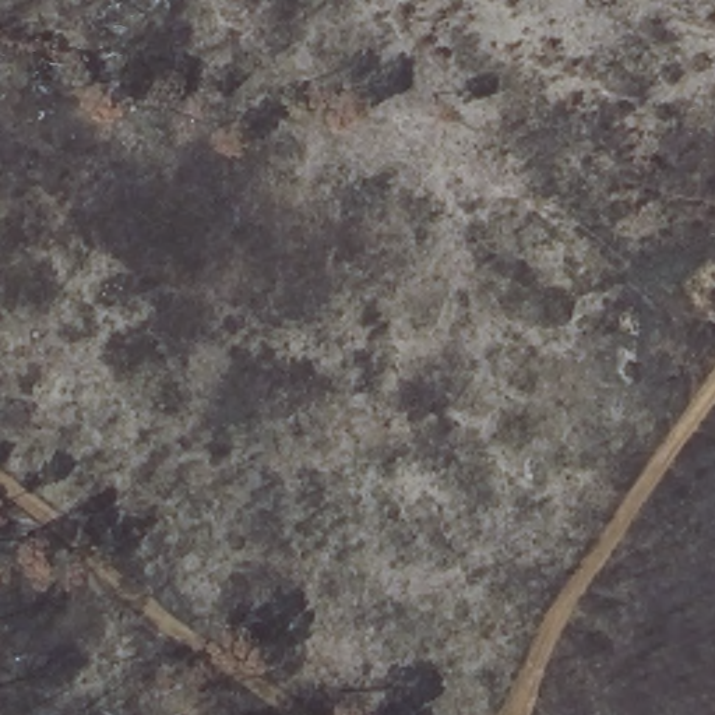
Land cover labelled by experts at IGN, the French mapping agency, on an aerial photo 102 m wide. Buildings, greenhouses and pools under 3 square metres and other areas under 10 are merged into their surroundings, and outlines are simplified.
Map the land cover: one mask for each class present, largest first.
<instances>
[{"label":"bare soil","instance_id":"1","mask_svg":"<svg viewBox=\"0 0 715 715\"><path fill-rule=\"evenodd\" d=\"M95 84L103 92H112L115 106L123 109V115L112 112V117H106L101 126L78 117V98ZM318 95L355 103L360 120H352L344 128H321L318 120H313L310 126H293L290 134L279 128V120L288 117L282 98L310 103V98ZM223 123L240 126V156H223L212 148V131ZM715 371V0H0V547L6 550L20 539L42 536L47 539L50 550H67L78 559V573L73 578H50L45 592H36L31 587L28 573L22 570L11 575V584H0V715H198L196 704L204 676H190V668L184 662L156 665L162 656V645L170 637L159 634V626L145 614L148 600H156L170 617L190 626L193 634L212 631L215 623L221 617H232L237 606H263L277 592L302 589L313 612L307 656L304 668L299 670L302 679L310 684H327L332 690L341 684L369 687V704L374 715H503L506 704L511 701L522 679L525 662L531 656V648L539 637L547 612L570 584V578L584 567L587 556L598 547L606 525L614 519L617 508L623 506L626 494L648 466V461L665 444L670 430L690 408L693 397ZM531 715H715V405L709 408L698 430L684 441V447L679 450V455L673 458V464L668 466V472L662 475V480L628 525L623 542L612 550L609 564L589 581L587 592L578 598V606L573 609V617L559 634L556 651L545 668Z\"/></svg>","mask_w":715,"mask_h":715},{"label":"coniferous trees","instance_id":"2","mask_svg":"<svg viewBox=\"0 0 715 715\"><path fill-rule=\"evenodd\" d=\"M22 570L28 573L31 587L36 592H45L50 578H73L78 573V559L67 550H50L47 539L42 536L20 539L6 550L0 547V584H11V575ZM313 612L302 589L277 592L263 606H237L232 617H221L215 623L212 631L193 634L187 642L170 637L162 645V656L156 665L184 662L190 668V676H204L196 704L198 715H374L369 704V687L341 684L332 690L327 684H310L302 679L299 670L304 668L307 656ZM257 662L265 665V681L285 695L277 707H268L243 681L229 676L232 670H251Z\"/></svg>","mask_w":715,"mask_h":715},{"label":"pervious surface","instance_id":"3","mask_svg":"<svg viewBox=\"0 0 715 715\"><path fill-rule=\"evenodd\" d=\"M715 405V371L693 397L690 408L670 430L665 444L648 461V466L626 494L623 506L617 508L614 519L606 525L598 547L587 556L584 567L570 578V584L547 612L539 637L531 648V656L525 662L522 679L511 701L506 704L503 715H531L545 668L556 651L559 634L573 617V609L578 606V598L587 592L589 581L609 564L612 550L623 542L628 525L662 480V475L668 472V466L673 464V458L679 455V450L684 447V441L698 430L709 408ZM145 614L159 626V634L170 637L187 642L193 634L190 626L170 617L156 600H148ZM265 665L257 662L251 670H232L229 676L243 681L268 707H277L285 695L265 681Z\"/></svg>","mask_w":715,"mask_h":715},{"label":"deciduous trees","instance_id":"4","mask_svg":"<svg viewBox=\"0 0 715 715\"><path fill-rule=\"evenodd\" d=\"M112 112L123 115V109L115 106L112 92H103L95 84L78 98V117L101 126L106 117H112ZM288 117L279 120V128L290 134L293 126H310L313 120H318L321 128H344L352 120H360L355 103L318 95L310 98V103L282 98ZM212 148L223 156H240V126L223 123L212 131Z\"/></svg>","mask_w":715,"mask_h":715}]
</instances>
